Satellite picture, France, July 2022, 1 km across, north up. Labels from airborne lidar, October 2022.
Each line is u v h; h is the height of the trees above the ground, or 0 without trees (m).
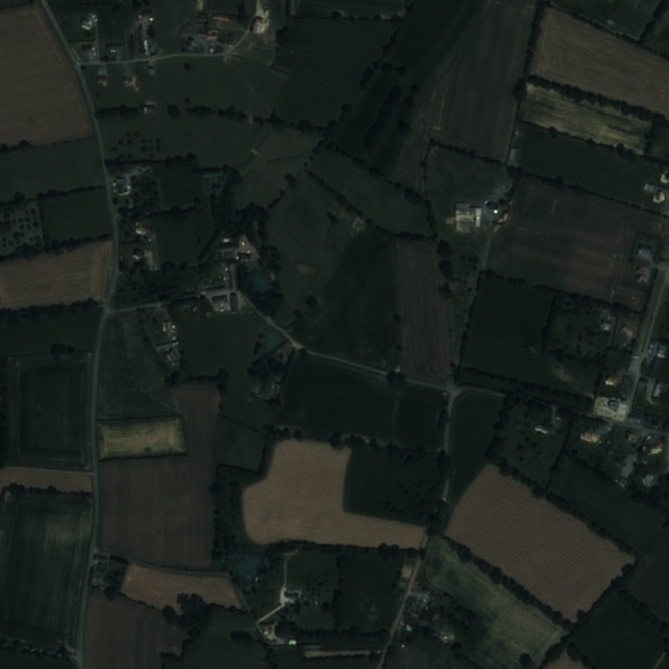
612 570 0
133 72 0
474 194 0
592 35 0
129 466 0
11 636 0
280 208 0
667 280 0
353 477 0
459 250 0
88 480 0
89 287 0
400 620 0
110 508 0
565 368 0
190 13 0
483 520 0
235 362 0
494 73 0
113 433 0
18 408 0
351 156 6
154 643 0
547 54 0
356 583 0
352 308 0
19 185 0
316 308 12
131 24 0
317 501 0
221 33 0
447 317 0
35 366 0
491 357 0
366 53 0
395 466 0
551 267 0
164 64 0
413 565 0
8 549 0
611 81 0
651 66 0
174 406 0
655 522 0
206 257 15
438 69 0
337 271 0
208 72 0
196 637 18
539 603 11
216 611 8
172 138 0
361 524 0
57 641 0
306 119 0
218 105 0
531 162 0
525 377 0
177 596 0
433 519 16
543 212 0
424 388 0
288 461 0
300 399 0
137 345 0
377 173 14
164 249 0
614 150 11
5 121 0
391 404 0
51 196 17
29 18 0
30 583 0
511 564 0
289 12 13
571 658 14
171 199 0
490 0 0
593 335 7
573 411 7
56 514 0
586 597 0
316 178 8
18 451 0
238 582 19
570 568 0
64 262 0
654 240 0
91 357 0
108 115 10
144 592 0
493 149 0
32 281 0
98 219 0
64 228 0
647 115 13
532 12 0
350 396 0
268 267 8
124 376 0
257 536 0
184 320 0
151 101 0
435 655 0
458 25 0
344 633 9
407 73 18
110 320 0
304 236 0
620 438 0
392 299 0
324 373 0
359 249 0
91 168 0
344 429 0
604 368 8
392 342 0
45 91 0
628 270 0
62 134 0
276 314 17
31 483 0
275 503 0
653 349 0
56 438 0
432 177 0
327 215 0
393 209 0
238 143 0
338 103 0
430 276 0
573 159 0
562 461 7
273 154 0
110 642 0
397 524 0
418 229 0
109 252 0
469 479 0
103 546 0
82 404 0
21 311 11
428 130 0
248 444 0
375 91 0
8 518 0
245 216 17
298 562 0
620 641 0
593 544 0
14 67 0
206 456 0
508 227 0
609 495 0
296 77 0
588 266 0
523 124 6
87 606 0
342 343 0
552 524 0
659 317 0
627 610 0
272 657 15
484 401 0
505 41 0
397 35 7
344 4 0
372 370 0
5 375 9
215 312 0
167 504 0
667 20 0
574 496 0
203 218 0
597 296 0
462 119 0
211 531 0
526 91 19
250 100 0
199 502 0
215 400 0
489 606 0
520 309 0
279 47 12
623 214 0
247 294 13
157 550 0
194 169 11
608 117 0
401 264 0
